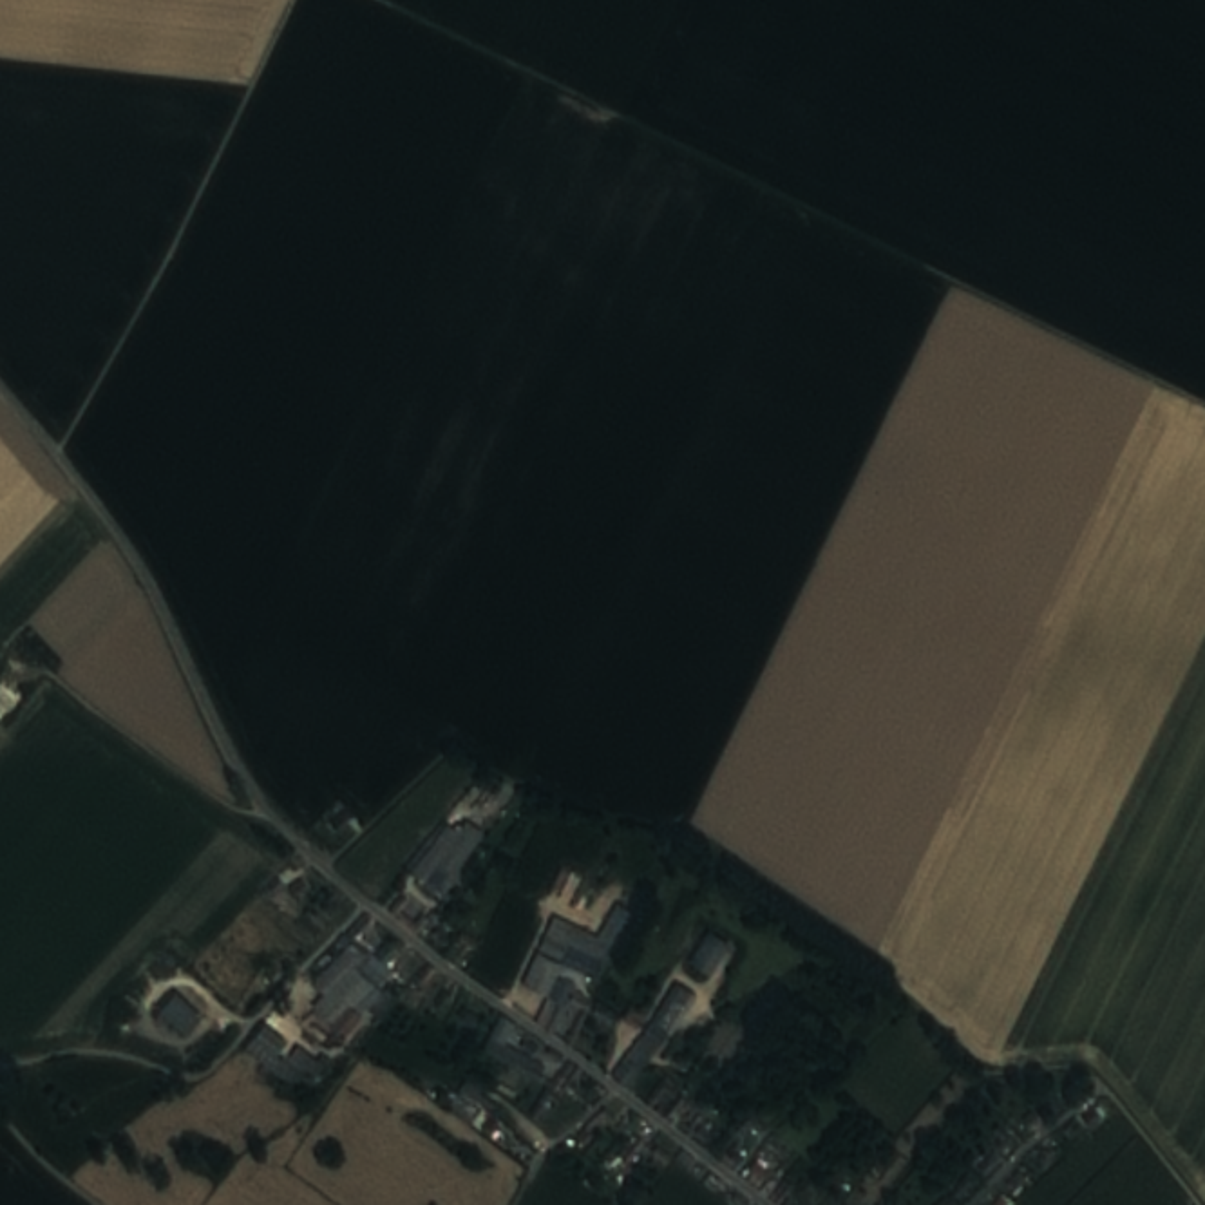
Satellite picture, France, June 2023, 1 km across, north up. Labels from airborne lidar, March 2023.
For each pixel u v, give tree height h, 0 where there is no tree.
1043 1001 0
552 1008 0
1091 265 0
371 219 0
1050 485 0
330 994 0
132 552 0
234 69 0
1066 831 0
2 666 0
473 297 0
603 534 0
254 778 0
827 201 0
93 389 0
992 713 0
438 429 0
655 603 0
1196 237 0
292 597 0
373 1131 0
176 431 0
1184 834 0
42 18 0
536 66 0
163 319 0
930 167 0
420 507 0
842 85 0
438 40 0
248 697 0
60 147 0
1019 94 0
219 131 0
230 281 0
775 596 0
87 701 0
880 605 0
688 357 0
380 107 0
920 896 0
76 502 0
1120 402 0
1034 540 0
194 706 0
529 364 0
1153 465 0
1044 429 0
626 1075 0
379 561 0
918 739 0
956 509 0
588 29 0
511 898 0
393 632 0
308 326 0
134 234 0
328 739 0
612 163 0
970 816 0
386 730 0
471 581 0
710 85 0
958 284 0
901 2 0
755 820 0
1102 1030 0
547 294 0
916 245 0
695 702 0
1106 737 0
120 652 0
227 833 0
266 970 0
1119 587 0
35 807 0
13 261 0
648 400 0
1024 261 0
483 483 0
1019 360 0
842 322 0
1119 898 0
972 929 0
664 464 0
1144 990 0
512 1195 0
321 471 0
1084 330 0
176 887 0
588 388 0
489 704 0
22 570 0
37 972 0
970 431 0
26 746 0
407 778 0
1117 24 0
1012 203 0
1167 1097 0
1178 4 0
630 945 22
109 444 0
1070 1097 16
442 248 0
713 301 0
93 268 0
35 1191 0
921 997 0
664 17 0
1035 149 0
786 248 0
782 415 0
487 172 0
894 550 0
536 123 0
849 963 18
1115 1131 0
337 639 0
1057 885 0
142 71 0
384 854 0
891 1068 0
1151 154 0
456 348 0
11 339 0
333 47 0
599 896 0
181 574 0
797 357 0
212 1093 0
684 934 0
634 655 0
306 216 0
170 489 0
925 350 0
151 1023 0
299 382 0
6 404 0
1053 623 0
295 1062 0
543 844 0
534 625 0
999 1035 0
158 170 0
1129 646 0
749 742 0
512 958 0
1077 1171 0
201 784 0
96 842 0
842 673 0
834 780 0
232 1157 12
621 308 0
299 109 0
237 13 0
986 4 0
